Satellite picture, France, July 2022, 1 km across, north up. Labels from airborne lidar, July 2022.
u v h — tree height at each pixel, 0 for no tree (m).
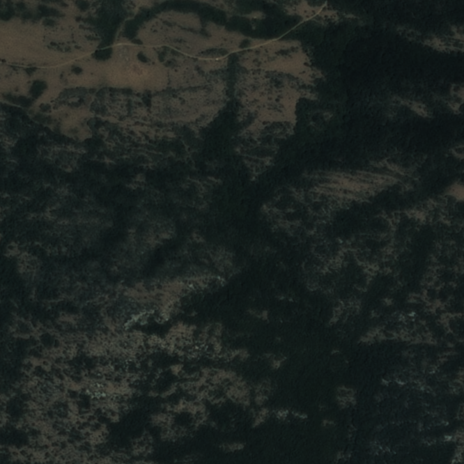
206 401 6
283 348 8
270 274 7
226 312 12
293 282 11
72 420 0
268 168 9
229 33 0
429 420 6
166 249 6
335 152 7
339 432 10
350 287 6
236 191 12
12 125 7
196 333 6
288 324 10
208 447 10
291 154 9
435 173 9
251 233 10
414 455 6
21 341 7
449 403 6
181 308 6
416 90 6
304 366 9
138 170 7
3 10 0
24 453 7
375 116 8
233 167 7
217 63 0
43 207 9
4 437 7
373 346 11
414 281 6
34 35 0
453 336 6
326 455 7
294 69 0
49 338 9
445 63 19
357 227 9
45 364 7
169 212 5
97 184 10
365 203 8
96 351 0
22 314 8
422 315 6
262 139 7
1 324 7
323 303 9
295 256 8
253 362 6
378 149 6
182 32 0
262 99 0
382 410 8
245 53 0
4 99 0
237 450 7
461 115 10
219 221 10
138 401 8
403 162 8
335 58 11
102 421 7
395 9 12
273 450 9
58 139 6
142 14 0
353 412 8
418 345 6
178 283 0
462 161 6
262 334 9
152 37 0
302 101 9
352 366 10
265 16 0
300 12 0
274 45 0
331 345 7
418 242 10
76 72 0
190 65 0
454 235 8
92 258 6
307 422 13
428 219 6
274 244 9
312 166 6
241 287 15
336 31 17
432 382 7
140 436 9
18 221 6
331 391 8
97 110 6
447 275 8
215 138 8
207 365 9
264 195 10
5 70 0
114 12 6
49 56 0
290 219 7
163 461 9
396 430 8
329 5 5
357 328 10
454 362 6
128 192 7
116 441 7
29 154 7
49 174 6
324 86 13
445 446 7
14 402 6
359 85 13
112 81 0
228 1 0
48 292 9
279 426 13
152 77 0
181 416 8
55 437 0
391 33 10
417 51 19
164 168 6
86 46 0
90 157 6
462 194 0
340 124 7
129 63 0
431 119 7
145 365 7
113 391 0
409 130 12
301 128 10
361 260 6
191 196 6
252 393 7
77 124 0
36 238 9
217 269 7
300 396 16
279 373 11
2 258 11
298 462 14
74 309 8
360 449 11
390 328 6
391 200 7
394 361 7
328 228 7
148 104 8
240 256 7
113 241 9
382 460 6
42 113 0
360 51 24
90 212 6
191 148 8
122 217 8
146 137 6
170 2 0
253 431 14
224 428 6
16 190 9
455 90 6
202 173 6
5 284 9
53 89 0
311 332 18
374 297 10
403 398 8
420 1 6
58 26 0
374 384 12
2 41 0
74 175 6
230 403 8
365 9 17
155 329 10
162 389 7
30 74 0
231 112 6
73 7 0
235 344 7
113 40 0
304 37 8
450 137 13
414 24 10
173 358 7
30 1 0
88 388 0
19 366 6
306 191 6
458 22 7
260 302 12
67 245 6
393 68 21
